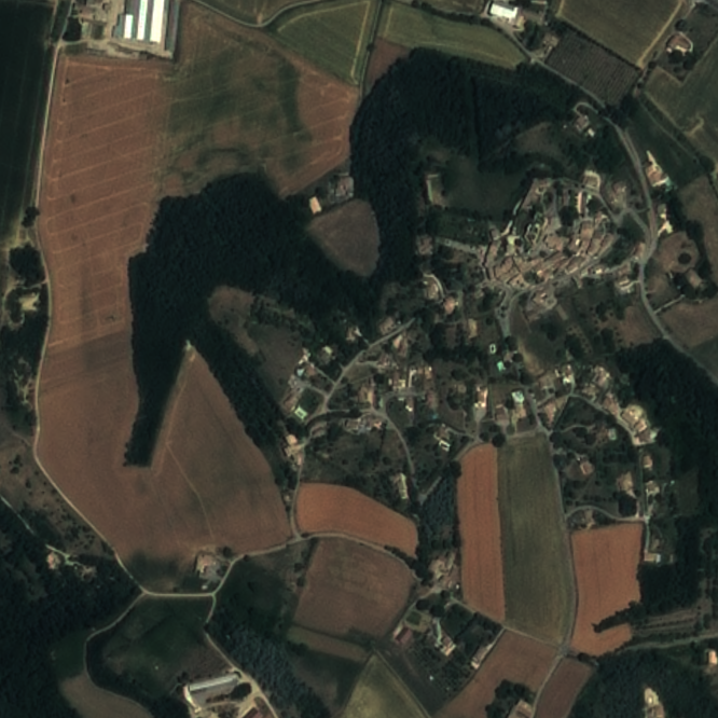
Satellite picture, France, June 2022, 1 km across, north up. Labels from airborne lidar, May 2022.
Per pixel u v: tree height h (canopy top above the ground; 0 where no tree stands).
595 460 7
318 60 0
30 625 35
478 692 0
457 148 15
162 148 0
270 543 0
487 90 18
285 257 19
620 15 0
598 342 6
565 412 5
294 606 0
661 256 0
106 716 0
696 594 14
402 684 0
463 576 0
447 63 18
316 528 0
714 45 0
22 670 20
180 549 0
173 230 16
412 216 17
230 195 14
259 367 7
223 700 6
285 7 0
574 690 0
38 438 0
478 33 0
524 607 0
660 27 0
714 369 0
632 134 0
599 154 12
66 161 0
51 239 0
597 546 0
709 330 0
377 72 0
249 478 0
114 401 0
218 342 9
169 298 20
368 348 10
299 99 0
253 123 0
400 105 21
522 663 0
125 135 0
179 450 0
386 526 0
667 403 18
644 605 11
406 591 0
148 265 14
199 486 0
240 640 19
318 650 0
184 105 0
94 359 0
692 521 21
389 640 0
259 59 0
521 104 22
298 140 0
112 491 0
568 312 0
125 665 0
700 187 0
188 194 0
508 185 0
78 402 0
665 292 0
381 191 19
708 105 0
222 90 0
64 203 0
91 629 30
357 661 0
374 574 0
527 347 0
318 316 11
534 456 0
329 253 0
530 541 0
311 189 0
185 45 0
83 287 0
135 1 0
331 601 0
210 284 14
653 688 6
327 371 8
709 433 16
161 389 12
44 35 0
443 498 13
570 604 0
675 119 0
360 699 0
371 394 0
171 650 0
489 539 0
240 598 12
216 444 0
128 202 0
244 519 0
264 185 12
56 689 10
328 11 0
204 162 0
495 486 0
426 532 16
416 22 0
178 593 7
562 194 11
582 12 0
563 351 8
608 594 0
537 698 0
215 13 0
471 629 13
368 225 0
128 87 0
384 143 18
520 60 0
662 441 14
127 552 0
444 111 20
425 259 9
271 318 8
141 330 12
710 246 0
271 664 17
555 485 0
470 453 0
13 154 0
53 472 0
